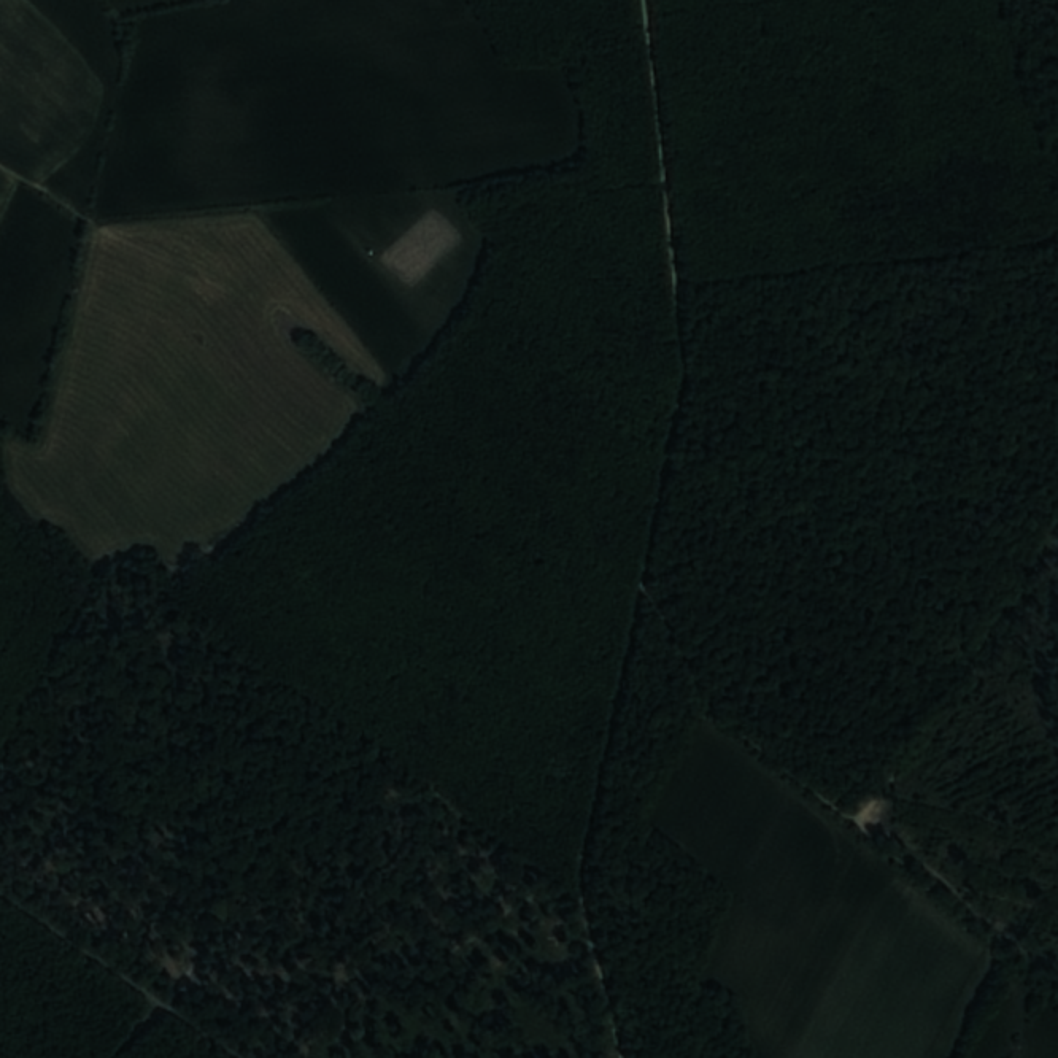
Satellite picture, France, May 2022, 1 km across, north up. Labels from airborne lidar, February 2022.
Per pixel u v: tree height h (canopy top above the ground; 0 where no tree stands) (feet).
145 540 0
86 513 0
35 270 0
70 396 0
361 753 79
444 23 0
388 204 0
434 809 95
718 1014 48
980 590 101
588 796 54
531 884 81
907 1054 0
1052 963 84
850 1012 0
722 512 84
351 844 105
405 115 0
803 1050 0
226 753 80
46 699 77
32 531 48
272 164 0
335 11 0
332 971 0
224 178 0
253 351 0
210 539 0
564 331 50
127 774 90
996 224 59
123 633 99
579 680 50
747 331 74
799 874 0
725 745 0
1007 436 87
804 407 76
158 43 0
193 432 0
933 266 75
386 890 104
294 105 0
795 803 0
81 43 0
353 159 0
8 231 0
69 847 96
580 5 47
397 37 0
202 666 66
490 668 56
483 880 91
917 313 88
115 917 101
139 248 0
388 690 52
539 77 0
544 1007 104
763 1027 0
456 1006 93
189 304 0
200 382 0
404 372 0
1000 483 68
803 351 80
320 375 0
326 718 71
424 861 92
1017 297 91
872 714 78
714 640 83
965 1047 36
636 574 45
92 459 0
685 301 61
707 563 87
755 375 84
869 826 0
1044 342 80
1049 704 112
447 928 92
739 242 46
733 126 50
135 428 0
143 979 79
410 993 96
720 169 41
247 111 0
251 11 0
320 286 0
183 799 89
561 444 54
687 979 73
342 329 0
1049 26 95
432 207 0
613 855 73
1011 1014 0
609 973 73
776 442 83
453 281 0
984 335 92
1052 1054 0
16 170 0
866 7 43
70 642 95
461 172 0
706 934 56
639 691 67
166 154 0
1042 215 51
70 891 90
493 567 46
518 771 53
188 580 57
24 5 0
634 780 86
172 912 94
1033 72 62
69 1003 62
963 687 94
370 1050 92
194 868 80
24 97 0
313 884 34
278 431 0
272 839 84
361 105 0
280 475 0
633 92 51
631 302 46
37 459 0
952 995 0
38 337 0
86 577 48
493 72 0
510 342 45
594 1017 92
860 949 0
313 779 78
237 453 0
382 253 0
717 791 0
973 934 32
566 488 44
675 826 0
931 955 0
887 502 90
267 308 0
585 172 51
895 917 0
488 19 43
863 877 0
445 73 0
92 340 0
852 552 79
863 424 80
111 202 0
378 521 57
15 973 0
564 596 48
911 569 95
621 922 79
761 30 37
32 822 95
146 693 87
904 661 89
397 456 49
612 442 50
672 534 65
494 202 53
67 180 0
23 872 81
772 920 0
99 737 87
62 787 94
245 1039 82
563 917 92
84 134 0
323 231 0
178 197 0
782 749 71
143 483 0
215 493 0
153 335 0
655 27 38
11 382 0
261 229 0
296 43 0
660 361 47
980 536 88
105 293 0
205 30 0
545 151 0
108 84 0
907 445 67
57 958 66
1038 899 94
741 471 67
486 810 53
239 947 97
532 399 50
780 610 91
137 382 0
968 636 97
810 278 72
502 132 0
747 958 0
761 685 86
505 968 103
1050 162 54
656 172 42
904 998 0
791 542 94
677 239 46
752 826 0
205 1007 88
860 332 79
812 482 84
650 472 57
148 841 83
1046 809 26
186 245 0
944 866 0
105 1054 55
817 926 0
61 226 0
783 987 0
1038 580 105
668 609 76
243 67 0
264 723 81
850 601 86
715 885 48
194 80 0
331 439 0
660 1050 82
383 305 0
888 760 79
